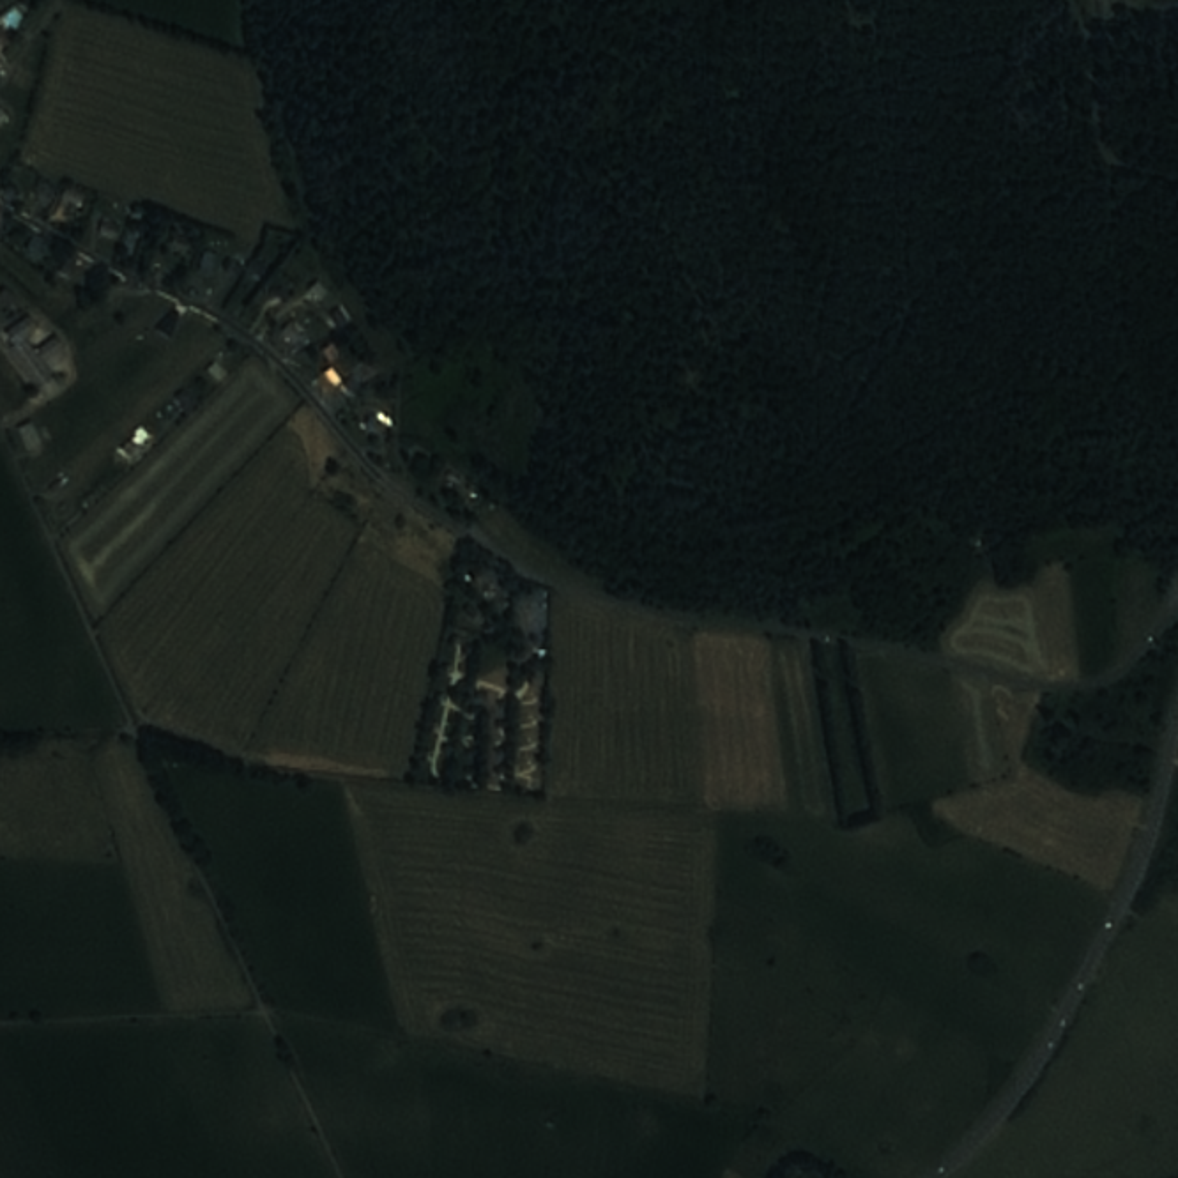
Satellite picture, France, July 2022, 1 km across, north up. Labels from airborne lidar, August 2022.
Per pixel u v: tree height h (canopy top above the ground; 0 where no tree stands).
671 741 0
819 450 24
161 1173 0
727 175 21
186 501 0
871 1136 0
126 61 0
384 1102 0
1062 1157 0
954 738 0
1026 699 0
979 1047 0
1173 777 0
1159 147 23
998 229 19
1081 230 20
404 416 0
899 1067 0
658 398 6
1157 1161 0
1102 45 27
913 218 21
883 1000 0
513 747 15
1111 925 0
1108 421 16
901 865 0
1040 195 14
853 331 18
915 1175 0
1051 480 11
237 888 0
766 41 19
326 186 23
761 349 13
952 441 18
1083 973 0
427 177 11
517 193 17
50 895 0
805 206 24
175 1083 0
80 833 0
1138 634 0
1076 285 17
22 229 11
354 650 0
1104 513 13
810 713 0
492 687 0
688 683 0
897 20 12
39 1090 0
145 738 18
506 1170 0
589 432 8
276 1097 0
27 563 0
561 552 14
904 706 0
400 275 19
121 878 0
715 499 19
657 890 0
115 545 0
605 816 0
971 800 0
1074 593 0
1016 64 34
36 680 0
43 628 0
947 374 20
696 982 0
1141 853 0
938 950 0
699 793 0
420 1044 0
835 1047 0
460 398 0
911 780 0
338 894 0
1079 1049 0
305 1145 0
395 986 0
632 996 0
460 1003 0
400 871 0
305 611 0
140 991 0
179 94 0
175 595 0
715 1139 0
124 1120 0
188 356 0
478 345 13
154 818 0
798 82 18
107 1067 0
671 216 6
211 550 0
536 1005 0
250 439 0
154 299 0
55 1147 0
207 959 0
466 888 0
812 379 19
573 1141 0
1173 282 16
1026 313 19
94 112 0
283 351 0
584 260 20
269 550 0
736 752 0
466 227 25
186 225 11
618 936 0
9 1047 0
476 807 0
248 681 0
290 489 0
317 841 0
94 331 0
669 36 13
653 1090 0
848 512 15
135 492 0
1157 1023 0
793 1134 0
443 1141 0
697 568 19
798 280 16
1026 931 0
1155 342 17
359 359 9
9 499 0
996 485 14
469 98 16
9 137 0
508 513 11
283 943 0
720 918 0
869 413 21
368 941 0
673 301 8
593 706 0
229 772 14
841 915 0
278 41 10
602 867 0
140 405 0
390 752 0
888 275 19
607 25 8
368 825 0
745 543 17
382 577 0
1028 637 0
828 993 0
